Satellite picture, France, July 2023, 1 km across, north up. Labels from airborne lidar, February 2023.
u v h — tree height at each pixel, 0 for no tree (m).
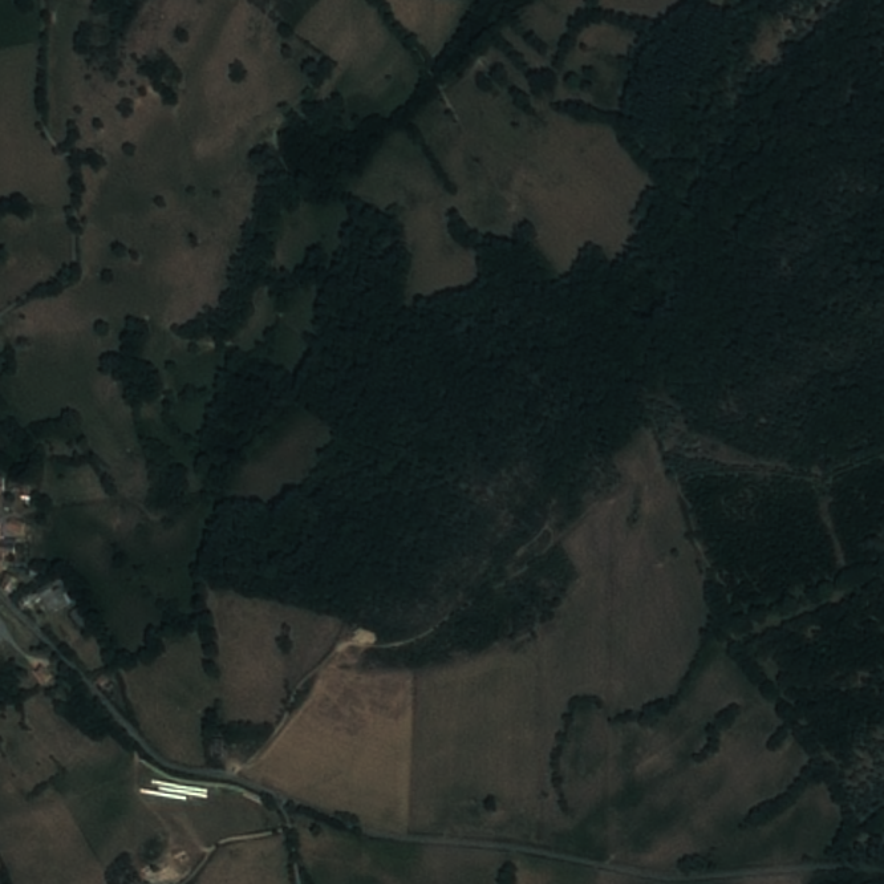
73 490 0
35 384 0
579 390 16
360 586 16
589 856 0
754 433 14
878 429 18
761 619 18
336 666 0
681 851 0
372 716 0
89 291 0
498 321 14
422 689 0
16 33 0
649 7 0
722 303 19
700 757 10
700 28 23
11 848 0
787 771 0
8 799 0
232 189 0
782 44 7
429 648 6
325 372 19
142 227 0
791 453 15
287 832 7
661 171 16
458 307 18
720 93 11
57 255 0
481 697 0
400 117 15
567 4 0
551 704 0
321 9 0
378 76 0
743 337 17
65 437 0
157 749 0
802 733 18
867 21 17
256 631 0
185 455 0
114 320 0
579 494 6
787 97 18
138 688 0
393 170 0
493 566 7
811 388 11
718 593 16
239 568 19
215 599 0
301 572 16
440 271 0
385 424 17
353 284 20
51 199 0
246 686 0
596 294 22
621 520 0
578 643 0
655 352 17
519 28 16
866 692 10
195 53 0
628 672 0
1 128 0
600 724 0
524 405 12
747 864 0
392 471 7
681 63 23
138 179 0
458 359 17
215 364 0
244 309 20
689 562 0
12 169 0
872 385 21
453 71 15
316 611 8
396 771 0
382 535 15
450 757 0
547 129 0
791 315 15
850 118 11
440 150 0
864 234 7
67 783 0
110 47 8
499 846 0
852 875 12
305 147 16
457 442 12
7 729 0
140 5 10
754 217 17
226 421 19
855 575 20
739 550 10
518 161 0
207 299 0
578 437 16
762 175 16
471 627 10
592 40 0
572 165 0
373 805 0
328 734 0
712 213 22
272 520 24
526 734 0
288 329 0
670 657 0
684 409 6
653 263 22
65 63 0
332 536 14
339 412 18
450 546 8
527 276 14
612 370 22
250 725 7
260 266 21
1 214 19
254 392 18
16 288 0
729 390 11
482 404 16
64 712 12
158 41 0
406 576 9
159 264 0
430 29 0
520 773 0
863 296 9
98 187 0
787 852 0
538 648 0
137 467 0
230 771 0
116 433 0
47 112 15
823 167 11
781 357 12
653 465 0
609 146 0
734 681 0
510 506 0
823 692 11
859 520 7
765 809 14
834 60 19
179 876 0
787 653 12
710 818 0
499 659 0
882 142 18
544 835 0
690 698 0
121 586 0
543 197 0
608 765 0
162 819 0
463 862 0
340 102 19
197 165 0
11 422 11
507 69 17
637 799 0
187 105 0
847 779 11
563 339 20
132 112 8
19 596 13
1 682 9
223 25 0
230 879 0
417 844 0
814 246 8
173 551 0
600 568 0
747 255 21
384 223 20
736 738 0
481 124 0
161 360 0
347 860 0
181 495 19
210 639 20
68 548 0
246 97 0
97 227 0
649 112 23
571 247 0
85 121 0
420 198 0
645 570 0
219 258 0
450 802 0
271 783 0
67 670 16
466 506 7
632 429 14
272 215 20
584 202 0
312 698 0
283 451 0
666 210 17
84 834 0
